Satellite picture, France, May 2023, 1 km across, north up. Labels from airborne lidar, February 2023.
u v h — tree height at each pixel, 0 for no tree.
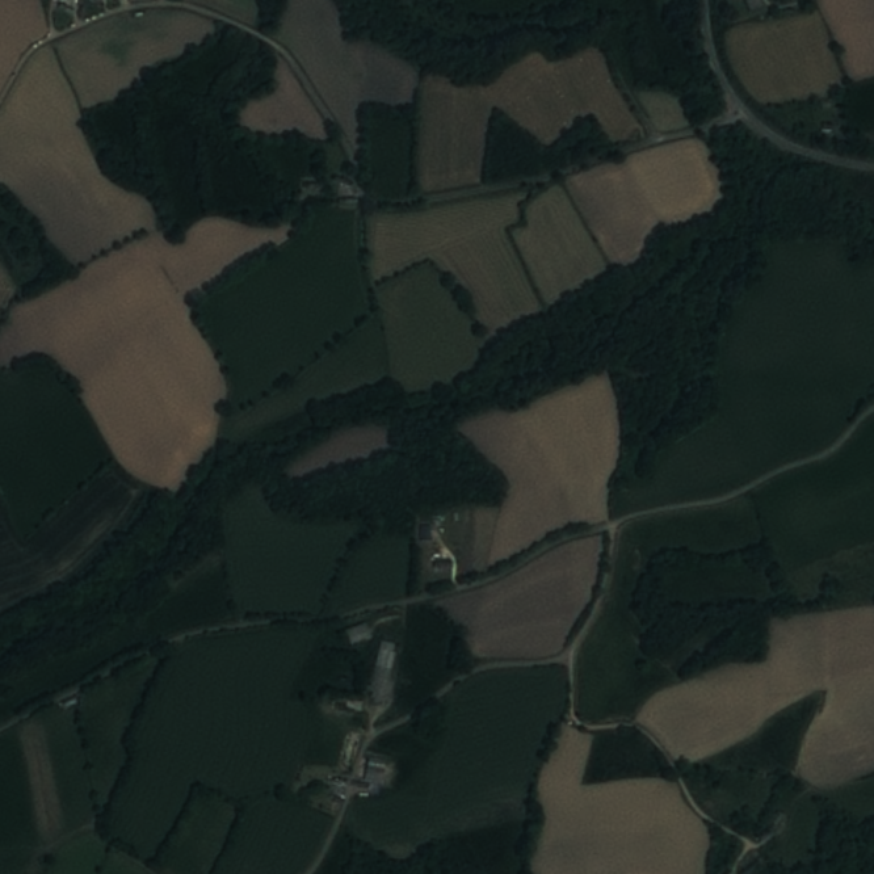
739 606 17
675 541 0
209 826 0
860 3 0
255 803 0
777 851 0
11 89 0
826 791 0
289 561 0
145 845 0
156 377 0
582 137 10
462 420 16
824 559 0
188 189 0
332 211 0
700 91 9
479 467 15
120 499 0
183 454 0
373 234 0
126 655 12
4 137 0
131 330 0
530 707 0
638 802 0
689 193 0
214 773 0
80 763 0
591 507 0
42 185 0
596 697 0
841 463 0
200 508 18
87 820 0
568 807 0
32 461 0
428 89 0
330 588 11
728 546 0
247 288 0
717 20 7
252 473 16
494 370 18
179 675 0
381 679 0
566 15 20
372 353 0
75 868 0
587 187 0
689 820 0
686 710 0
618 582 0
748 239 12
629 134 0
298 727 0
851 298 0
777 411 0
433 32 8
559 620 0
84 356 0
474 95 0
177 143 0
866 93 0
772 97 0
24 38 0
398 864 9
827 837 19
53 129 0
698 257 15
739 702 0
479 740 0
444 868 10
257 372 0
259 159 14
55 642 21
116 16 0
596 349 15
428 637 0
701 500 0
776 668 0
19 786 0
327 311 0
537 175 12
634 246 0
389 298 0
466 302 17
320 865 0
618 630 0
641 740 6
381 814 0
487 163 8
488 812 0
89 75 0
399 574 0
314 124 0
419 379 0
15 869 0
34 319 0
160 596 8
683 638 18
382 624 0
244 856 0
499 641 0
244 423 0
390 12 7
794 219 14
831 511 0
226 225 0
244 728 0
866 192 0
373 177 6
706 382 15
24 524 0
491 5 0
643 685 0
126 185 18
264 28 16
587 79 0
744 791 0
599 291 20
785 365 0
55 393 0
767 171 9
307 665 0
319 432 17
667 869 0
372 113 12
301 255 0
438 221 0
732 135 15
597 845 0
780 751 0
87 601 16
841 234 20
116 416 0
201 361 0
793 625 0
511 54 24
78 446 0
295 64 0
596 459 0
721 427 0
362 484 16
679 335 16
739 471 0
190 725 0
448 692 0
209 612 0
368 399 18
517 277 0
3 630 17
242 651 0
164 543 7
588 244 0
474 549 0
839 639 0
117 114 0
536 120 0
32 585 0
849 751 0
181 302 0
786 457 0
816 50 0
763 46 0
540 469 0
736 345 0
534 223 0
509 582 0
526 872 8
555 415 0
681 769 14
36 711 7
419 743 0
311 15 0
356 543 13
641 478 15
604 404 0
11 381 0
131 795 0
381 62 0
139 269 0
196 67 0
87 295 0
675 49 0
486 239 0
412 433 18
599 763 0
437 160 0
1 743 0
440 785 0
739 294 20
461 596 0
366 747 0
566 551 0
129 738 12
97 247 0
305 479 8
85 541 0
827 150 17
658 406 16
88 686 9
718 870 7
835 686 0
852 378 0
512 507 0
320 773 0
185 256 0
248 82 7
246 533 0
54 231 0
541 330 21
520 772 0
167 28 0
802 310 0
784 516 0
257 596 0
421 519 0
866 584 0
